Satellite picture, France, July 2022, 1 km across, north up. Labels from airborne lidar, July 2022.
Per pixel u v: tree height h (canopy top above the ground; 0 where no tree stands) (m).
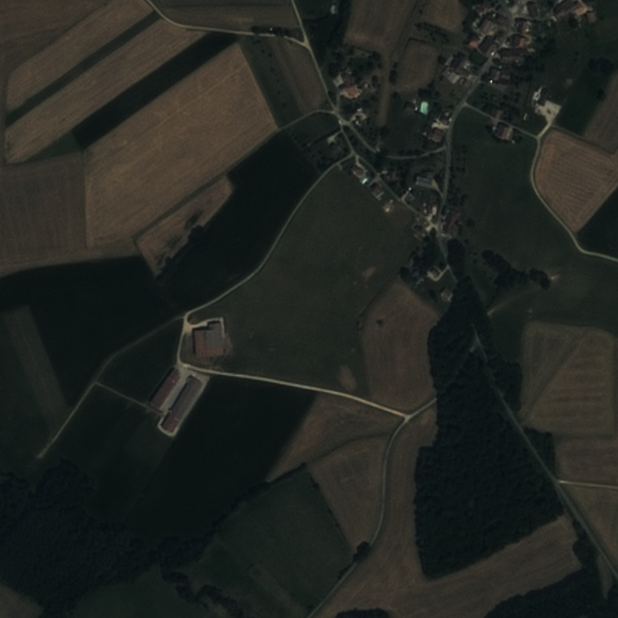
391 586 0
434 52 0
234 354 0
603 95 12
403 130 0
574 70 0
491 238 0
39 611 0
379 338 0
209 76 0
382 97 0
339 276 0
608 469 0
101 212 0
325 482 0
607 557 0
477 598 0
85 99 0
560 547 0
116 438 0
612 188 0
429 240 9
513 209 0
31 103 0
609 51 0
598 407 0
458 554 25
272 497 0
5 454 0
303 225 0
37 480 0
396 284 0
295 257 0
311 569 0
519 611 18
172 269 11
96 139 0
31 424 0
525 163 0
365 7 0
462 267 15
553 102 0
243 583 0
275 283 0
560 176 0
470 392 22
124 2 0
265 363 0
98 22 0
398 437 0
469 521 27
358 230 0
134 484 0
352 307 0
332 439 0
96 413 0
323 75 0
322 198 0
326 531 0
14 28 0
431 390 0
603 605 14
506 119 6
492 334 16
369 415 0
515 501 24
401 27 0
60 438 0
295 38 0
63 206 0
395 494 0
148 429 0
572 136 0
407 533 0
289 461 0
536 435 15
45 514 34
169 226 0
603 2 0
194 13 0
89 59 0
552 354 0
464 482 26
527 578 0
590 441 0
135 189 0
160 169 0
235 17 0
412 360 0
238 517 0
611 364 0
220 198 0
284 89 0
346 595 0
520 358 0
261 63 0
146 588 0
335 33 17
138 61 0
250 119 0
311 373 0
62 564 31
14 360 0
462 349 23
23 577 33
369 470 0
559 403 0
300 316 0
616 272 0
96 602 0
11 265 0
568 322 0
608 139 0
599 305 0
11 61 0
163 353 0
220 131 0
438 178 12
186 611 0
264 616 0
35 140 0
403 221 0
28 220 0
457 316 23
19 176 0
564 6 0
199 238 13
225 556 0
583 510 0
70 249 0
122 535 26
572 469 0
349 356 0
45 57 0
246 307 0
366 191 0
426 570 16
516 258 0
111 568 16
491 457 24
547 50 13
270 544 0
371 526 0
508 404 10
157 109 0
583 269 0
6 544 34
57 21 0
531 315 0
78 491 25
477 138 0
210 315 0
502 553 0
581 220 0
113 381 0
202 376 0
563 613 16
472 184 0
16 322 0
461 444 25
